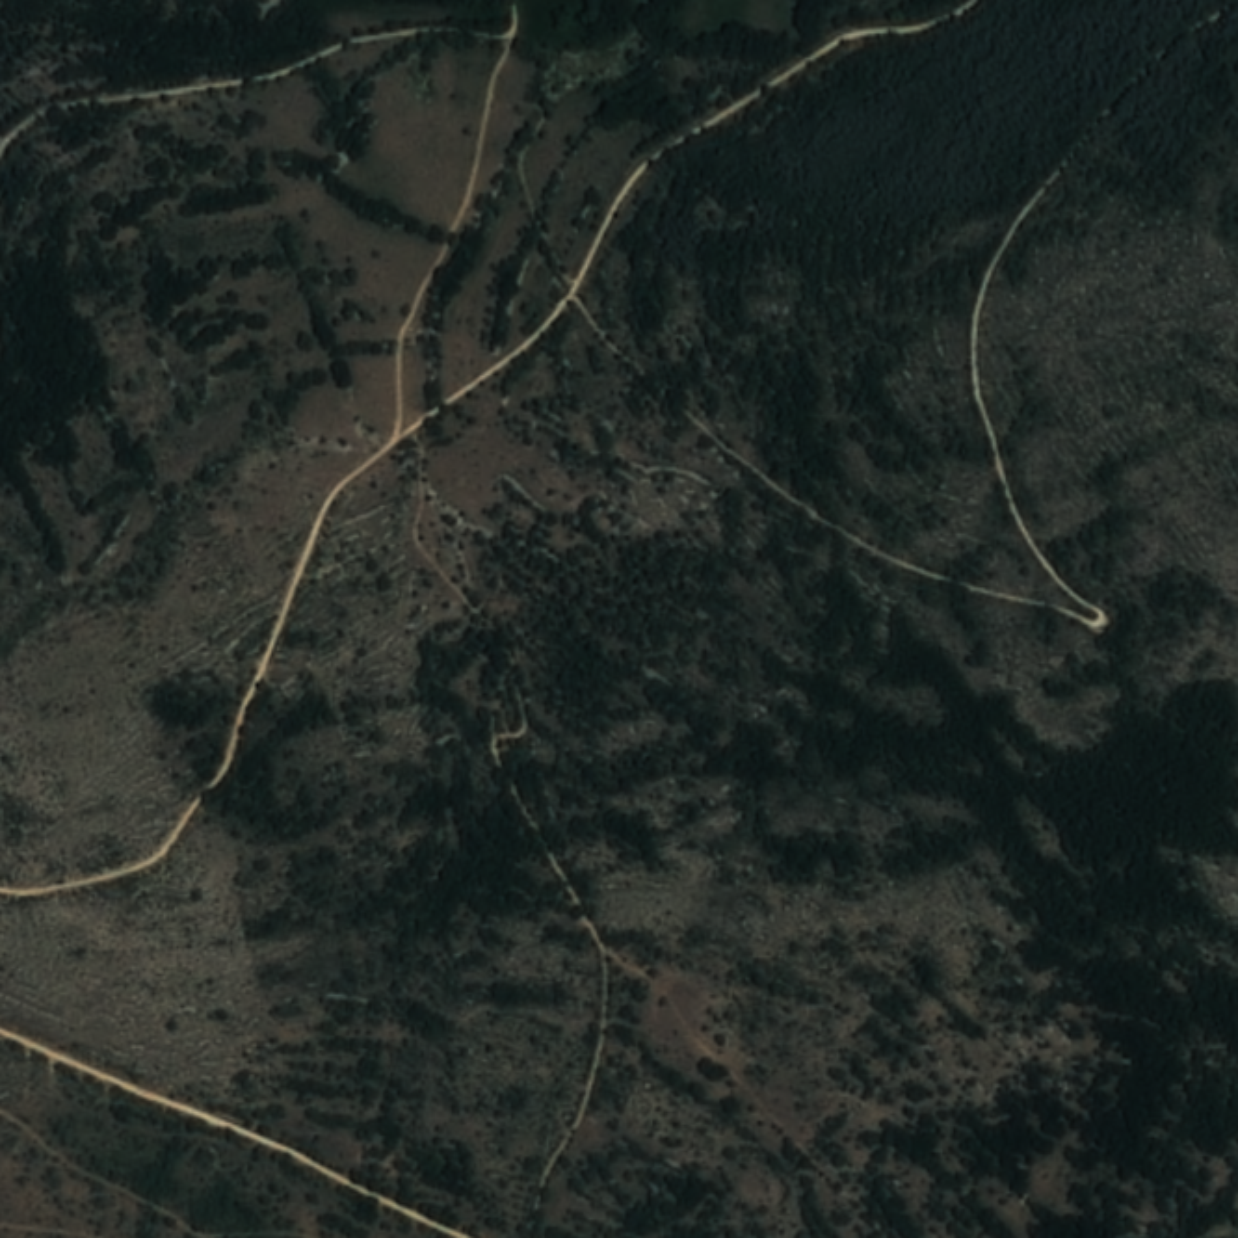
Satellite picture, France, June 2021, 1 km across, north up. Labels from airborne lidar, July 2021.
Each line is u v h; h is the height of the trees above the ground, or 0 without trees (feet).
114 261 20
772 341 20
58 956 0
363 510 0
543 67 25
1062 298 0
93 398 28
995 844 18
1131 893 45
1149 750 27
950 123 22
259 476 0
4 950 0
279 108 0
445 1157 28
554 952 0
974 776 32
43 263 32
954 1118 18
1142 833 32
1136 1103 26
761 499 28
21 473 26
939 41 35
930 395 0
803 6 40
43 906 0
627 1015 23
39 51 25
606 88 27
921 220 23
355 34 26
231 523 0
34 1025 0
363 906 31
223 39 38
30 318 40
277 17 30
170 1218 20
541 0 0
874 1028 20
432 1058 0
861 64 28
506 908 21
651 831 21
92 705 0
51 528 20
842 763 29
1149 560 0
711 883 0
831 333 22
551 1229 26
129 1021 0
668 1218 19
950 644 0
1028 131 29
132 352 0
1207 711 30
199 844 0
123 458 37
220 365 21
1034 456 0
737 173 30
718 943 0
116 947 0
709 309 23
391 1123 32
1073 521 0
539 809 21
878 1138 23
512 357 18
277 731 25
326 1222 19
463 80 0
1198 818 29
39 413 36
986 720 35
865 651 29
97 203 31
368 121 22
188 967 0
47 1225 0
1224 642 0
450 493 0
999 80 33
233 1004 0
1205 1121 19
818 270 19
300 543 0
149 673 0
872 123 31
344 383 38
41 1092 0
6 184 35
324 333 38
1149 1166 26
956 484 0
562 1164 23
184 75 30
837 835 20
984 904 0
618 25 19
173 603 0
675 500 0
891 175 31
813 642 20
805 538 19
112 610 0
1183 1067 30
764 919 0
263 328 31
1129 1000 34
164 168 36
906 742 31
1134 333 0
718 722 26
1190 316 0
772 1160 25
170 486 21
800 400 32
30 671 0
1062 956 32
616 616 18
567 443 23
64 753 0
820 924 0
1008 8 25
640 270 28
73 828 0
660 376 17
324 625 0
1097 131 22
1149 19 45
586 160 0
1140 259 0
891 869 28
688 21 0
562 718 22
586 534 17
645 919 0
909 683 29
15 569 22
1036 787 29
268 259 24
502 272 25
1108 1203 21
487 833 31
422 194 0
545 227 31
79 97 22
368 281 0
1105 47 34
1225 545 0
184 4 27
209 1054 0
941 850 23
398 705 19
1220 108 17
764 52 30
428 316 24
